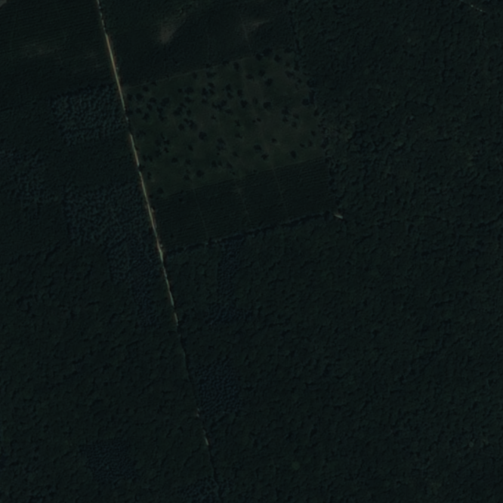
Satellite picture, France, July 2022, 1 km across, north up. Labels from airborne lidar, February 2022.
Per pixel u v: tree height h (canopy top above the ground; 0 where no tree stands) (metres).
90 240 29
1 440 24
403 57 21
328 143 20
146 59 7
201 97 0
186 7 10
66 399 24
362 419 25
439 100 25
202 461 21
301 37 21
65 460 24
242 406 24
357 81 19
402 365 24
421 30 22
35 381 24
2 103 6
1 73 7
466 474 23
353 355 25
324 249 19
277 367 25
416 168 23
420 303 27
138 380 28
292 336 25
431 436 25
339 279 21
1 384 23
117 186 23
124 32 7
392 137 21
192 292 26
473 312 23
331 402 29
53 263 19
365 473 23
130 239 22
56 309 26
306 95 0
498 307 21
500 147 26
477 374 22
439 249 18
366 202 22
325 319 26
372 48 20
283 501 24
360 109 22
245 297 25
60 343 26
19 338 22
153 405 28
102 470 20
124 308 23
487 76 22
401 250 21
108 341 26
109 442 21
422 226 21
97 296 26
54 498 28
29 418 25
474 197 25
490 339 26
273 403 27
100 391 28
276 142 15
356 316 21
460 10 20
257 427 30
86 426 22
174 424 25
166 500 24
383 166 21
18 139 15
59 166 16
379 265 23
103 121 25
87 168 16
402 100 21
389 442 26
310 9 25
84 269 22
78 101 22
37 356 25
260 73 0
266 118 0
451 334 23
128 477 16
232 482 28
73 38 6
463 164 21
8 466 24
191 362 25
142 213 21
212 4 11
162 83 0
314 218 19
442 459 25
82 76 6
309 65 22
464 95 21
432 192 20
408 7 19
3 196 17
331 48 20
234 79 0
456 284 25
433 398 23
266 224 7
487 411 26
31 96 7
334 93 21
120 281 24
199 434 25
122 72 6
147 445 25
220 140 0
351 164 19
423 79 20
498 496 28
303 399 28
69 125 22
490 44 20
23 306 26
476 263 26
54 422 25
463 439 23
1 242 13
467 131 21
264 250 25
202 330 26
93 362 26
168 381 27
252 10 7
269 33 7
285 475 26
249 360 28
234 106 0
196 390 21
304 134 0
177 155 0
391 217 17
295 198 6
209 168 0
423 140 21
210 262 24
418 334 24
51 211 16
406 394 24
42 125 14
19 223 15
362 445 27
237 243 23
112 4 14
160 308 23
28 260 26
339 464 26
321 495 26
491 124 21
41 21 7
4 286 23
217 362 22
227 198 6
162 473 25
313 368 16
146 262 21
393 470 25
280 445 27
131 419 26
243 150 0
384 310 25
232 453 23
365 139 29
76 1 6
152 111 25
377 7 24
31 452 28
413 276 25
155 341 25
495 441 20
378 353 22
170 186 0
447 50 23
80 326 23
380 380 27
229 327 21
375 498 27
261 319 24
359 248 24
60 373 24
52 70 6
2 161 21
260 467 23
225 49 6
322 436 26
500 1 23
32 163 26
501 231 19
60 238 14
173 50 8
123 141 16
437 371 26
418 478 23
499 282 20
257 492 31
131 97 19
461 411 25
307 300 22
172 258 24
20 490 26
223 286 24
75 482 20
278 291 24
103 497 25
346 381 26
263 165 0
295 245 26
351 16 22
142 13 15
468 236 23
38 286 26
